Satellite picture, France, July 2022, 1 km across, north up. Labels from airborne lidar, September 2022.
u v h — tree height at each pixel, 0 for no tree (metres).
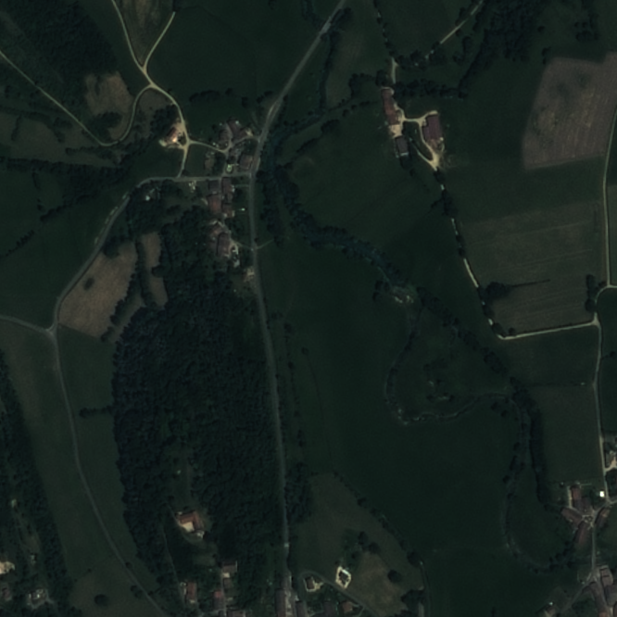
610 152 0
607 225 0
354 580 0
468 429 0
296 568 18
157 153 0
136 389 25
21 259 0
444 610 0
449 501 0
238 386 21
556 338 0
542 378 0
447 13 0
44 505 25
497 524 0
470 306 0
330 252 0
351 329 0
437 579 0
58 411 0
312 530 0
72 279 0
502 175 0
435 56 12
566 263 0
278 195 22
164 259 16
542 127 0
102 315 0
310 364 0
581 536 0
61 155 0
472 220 0
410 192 0
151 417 25
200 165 0
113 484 0
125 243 16
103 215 0
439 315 19
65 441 0
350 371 0
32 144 0
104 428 0
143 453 19
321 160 0
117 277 0
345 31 16
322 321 0
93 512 0
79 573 0
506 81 0
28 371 0
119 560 0
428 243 0
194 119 0
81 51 22
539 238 0
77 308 0
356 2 0
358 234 0
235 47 0
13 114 7
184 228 18
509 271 0
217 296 18
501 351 0
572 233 0
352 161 0
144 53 0
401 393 0
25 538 7
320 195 0
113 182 10
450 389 0
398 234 0
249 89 0
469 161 0
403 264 0
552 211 0
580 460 0
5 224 0
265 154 11
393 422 0
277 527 14
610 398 0
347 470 0
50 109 6
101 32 17
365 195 0
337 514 0
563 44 0
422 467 0
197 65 0
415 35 0
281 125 9
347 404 0
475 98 0
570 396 0
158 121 7
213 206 0
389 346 0
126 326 0
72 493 0
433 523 0
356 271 0
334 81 0
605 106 0
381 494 0
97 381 0
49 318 0
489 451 0
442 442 0
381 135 0
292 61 0
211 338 19
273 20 0
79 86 11
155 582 0
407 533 0
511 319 0
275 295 0
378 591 0
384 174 0
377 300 14
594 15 10
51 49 8
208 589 6
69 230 0
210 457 23
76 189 8
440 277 0
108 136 12
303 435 20
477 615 0
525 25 25
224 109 0
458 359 0
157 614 0
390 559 0
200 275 9
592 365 0
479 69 22
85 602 0
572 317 0
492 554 0
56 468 0
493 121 0
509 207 0
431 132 0
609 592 0
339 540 0
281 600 0
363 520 0
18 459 15
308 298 0
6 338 0
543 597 0
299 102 0
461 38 14
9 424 17
